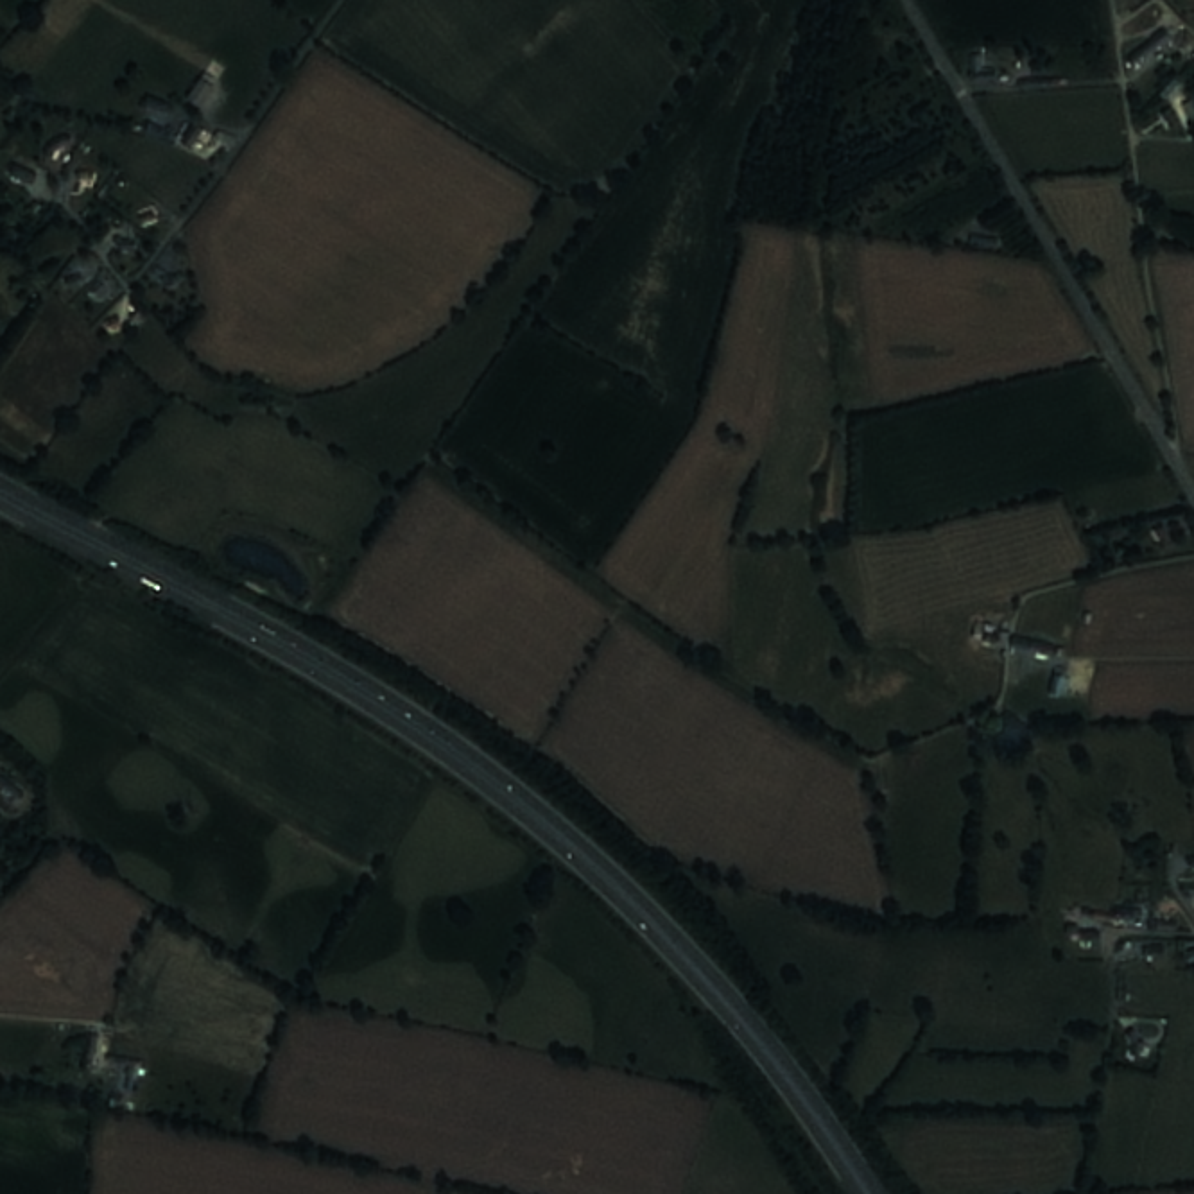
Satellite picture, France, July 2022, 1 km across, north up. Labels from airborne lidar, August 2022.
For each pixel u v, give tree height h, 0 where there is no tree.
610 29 0
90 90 0
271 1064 7
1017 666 0
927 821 0
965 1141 0
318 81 0
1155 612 0
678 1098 0
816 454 0
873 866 0
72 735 0
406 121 0
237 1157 0
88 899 0
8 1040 0
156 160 0
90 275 0
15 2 0
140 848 0
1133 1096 0
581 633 0
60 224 10
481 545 0
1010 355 0
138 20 0
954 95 9
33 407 0
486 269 0
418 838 0
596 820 12
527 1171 0
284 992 13
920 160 11
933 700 0
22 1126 0
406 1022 12
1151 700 0
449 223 0
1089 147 0
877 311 0
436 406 0
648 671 0
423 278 0
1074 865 0
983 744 27
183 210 7
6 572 0
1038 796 21
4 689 0
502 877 0
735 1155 0
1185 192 0
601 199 21
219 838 0
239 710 0
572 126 0
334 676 0
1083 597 0
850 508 9
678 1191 0
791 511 0
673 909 6
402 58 0
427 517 0
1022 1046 0
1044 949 0
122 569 0
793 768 0
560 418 0
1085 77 0
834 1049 0
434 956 0
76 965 0
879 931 19
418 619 0
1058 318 0
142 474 0
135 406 0
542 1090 0
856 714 0
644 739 0
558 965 0
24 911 0
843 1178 0
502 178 0
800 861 0
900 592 0
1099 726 9
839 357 0
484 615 0
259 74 0
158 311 8
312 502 0
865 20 11
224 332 0
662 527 0
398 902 0
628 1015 0
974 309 0
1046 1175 0
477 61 0
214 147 0
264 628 0
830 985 0
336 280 0
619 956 0
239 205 0
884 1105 14
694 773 0
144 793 0
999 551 0
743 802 0
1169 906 0
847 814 0
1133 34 0
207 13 0
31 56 0
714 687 0
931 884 0
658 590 0
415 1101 0
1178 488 6
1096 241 0
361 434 0
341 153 0
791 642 0
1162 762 0
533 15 0
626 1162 0
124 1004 0
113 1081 0
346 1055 0
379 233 0
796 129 12
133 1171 0
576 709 0
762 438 0
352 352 0
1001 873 0
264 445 0
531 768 12
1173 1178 0
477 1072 0
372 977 0
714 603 0
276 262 0
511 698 0
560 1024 0
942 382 0
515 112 0
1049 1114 9
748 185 15
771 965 0
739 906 0
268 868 0
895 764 0
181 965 0
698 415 7
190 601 0
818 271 0
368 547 14
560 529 0
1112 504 0
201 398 0
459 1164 0
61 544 0
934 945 0
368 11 0
